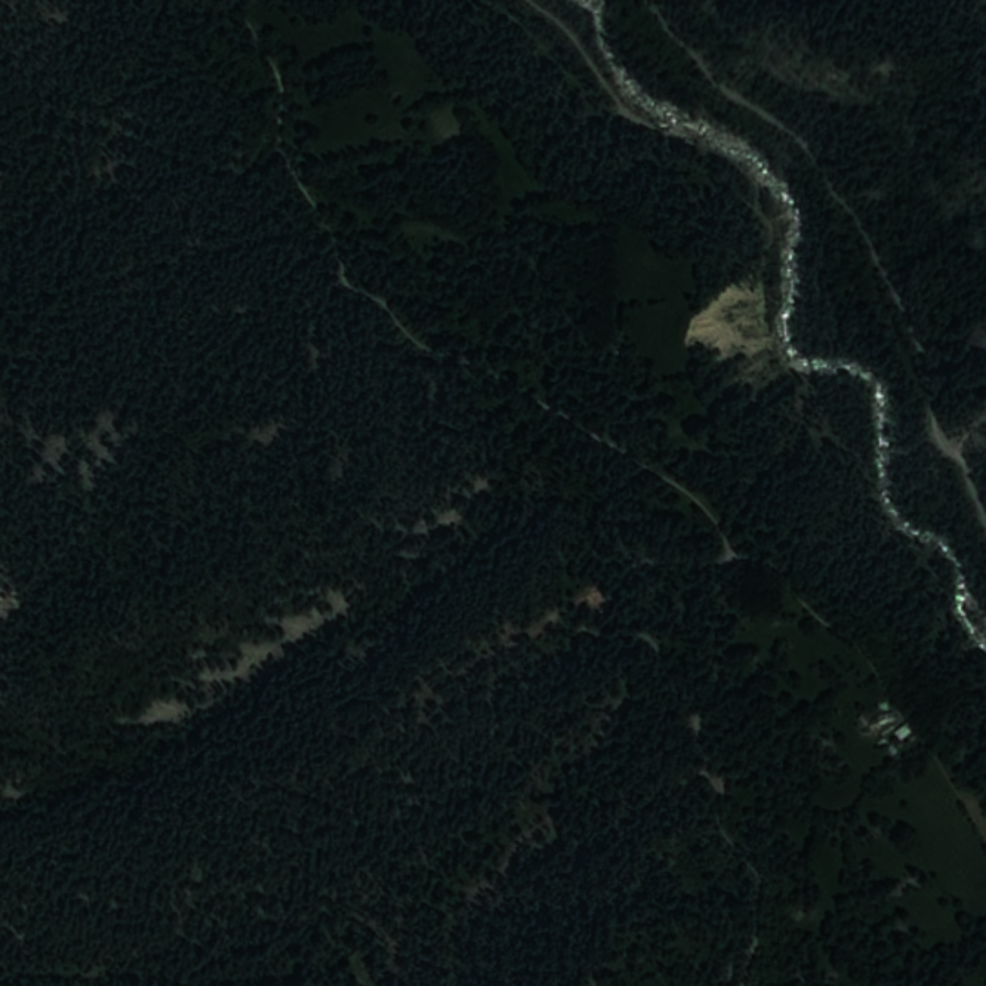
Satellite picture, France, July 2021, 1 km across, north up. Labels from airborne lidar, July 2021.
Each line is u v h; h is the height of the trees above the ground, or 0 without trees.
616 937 15
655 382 16
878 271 8
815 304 16
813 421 9
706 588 19
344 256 15
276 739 29
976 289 15
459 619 19
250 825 21
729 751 17
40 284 10
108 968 17
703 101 9
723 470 20
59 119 18
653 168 6
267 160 14
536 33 18
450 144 14
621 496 24
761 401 11
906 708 19
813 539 27
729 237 23
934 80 14
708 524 18
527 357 14
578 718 28
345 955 6
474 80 25
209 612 8
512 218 7
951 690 29
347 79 21
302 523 7
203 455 9
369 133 0
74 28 13
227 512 8
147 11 22
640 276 0
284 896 23
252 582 8
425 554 29
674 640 10
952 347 24
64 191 8
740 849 12
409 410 25
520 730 26
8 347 13
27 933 27
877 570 32
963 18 16
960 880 0
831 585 25
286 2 10
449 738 15
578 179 13
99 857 20
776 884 11
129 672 9
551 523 26
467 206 24
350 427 20
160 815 21
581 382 22
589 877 26
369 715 22
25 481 11
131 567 10
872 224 23
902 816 0
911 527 20
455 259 18
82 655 17
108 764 8
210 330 18
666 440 17
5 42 15
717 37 14
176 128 20
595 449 22
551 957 27
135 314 22
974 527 14
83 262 22
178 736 16
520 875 29
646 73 16
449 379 28
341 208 13
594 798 17
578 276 21
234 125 24
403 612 9
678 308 0
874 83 14
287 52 16
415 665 21
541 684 26
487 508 26
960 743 19
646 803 20
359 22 0
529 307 20
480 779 34
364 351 22
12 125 21
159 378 17
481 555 18
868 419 13
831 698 15
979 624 10
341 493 9
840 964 20
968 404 24
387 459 19
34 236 30
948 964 20
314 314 8
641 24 15
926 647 21
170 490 6
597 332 22
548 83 25
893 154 14
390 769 9
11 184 18
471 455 8
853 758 0
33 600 12
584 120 26
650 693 19
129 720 10
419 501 14
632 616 8
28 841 25
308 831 31
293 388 14
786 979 8
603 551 20
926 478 13
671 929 24
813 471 17
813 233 19
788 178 8
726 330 0
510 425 16
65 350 11
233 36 12
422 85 0
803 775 14
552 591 20
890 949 16
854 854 13
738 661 13
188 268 22
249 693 16
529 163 20
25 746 9
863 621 16
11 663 10
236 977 15
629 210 22
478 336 12
